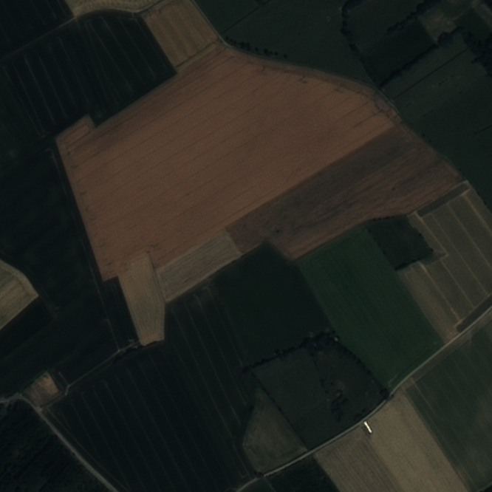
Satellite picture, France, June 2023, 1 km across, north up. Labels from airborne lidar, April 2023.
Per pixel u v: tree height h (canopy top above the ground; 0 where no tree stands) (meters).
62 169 0
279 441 0
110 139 0
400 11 0
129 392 0
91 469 0
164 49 0
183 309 0
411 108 0
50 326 0
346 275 0
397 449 0
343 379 0
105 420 0
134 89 0
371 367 0
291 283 0
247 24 0
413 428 0
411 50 0
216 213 0
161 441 0
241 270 0
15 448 0
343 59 0
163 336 0
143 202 0
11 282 0
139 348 7
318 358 0
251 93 0
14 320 0
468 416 0
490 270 0
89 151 0
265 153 0
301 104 0
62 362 0
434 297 0
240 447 0
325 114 0
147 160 0
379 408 0
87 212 0
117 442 0
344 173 0
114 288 0
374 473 0
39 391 0
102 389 0
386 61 0
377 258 0
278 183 0
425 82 0
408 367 0
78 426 0
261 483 0
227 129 0
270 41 0
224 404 0
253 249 0
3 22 0
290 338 0
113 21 0
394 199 0
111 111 0
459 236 0
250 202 0
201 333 0
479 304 0
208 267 0
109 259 0
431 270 0
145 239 0
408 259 0
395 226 0
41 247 0
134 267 0
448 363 0
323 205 0
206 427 0
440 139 0
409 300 0
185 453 0
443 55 0
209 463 0
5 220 0
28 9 0
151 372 0
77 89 0
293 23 0
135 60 0
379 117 0
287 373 0
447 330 0
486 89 0
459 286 0
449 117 0
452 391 0
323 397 0
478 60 8
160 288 0
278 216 0
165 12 0
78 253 0
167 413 0
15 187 0
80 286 0
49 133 0
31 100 0
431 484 0
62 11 0
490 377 0
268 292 0
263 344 0
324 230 0
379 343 0
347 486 0
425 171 0
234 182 0
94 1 0
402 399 0
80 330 0
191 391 0
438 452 0
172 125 0
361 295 0
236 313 0
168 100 0
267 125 0
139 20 0
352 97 0
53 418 0
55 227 0
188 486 0
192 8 0
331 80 0
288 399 0
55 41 0
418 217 0
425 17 0
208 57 0
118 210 0
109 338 0
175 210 0
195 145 0
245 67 0
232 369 0
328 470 0
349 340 0
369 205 0
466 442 0
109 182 0
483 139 0
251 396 0
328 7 0
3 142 0
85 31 0
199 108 0
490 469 0
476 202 0
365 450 0
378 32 0
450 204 0
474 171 0
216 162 0
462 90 0
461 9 0
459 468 0
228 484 0
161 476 0
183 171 0
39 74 0
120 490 0
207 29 0
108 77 0
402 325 0
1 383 0
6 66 0
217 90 0
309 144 0
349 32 18
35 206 0
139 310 0
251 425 0
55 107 0
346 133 0
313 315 0
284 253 0
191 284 0
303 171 0
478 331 0
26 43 0
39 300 0
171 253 0
